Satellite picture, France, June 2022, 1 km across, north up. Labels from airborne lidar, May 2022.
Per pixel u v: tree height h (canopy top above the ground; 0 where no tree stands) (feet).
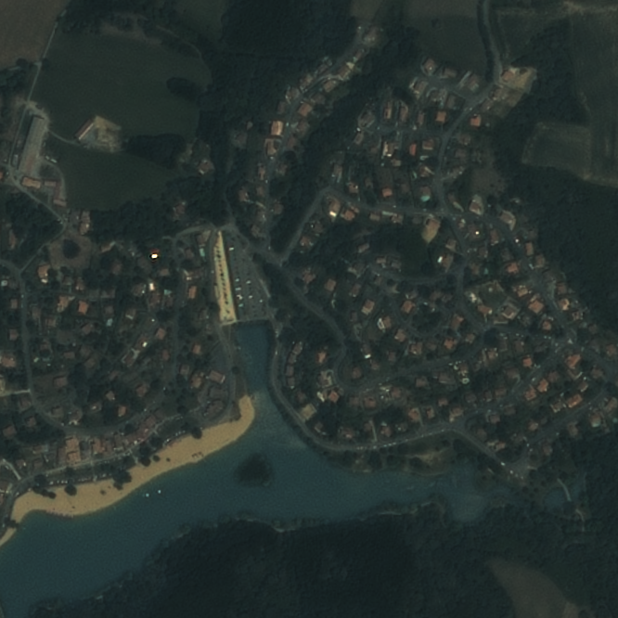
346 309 24
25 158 0
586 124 0
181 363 37
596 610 26
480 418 28
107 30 0
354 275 27
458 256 39
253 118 33
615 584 38
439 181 0
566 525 53
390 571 48
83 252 0
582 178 0
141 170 0
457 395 27
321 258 27
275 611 61
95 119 0
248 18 90
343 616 72
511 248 32
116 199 0
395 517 25
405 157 34
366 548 54
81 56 0
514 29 0
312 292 18
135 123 0
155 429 0
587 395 31
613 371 0
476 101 0
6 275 56
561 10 0
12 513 0
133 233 72
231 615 60
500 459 48
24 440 46
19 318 45
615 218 25
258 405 0
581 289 52
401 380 21
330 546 44
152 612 64
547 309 28
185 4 0
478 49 0
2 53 0
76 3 37
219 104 63
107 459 0
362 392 0
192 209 53
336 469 0
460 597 46
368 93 46
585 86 0
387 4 0
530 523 86
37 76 0
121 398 32
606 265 24
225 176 48
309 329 43
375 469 51
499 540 20
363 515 29
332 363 23
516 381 0
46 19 0
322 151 29
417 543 63
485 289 0
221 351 0
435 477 0
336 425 52
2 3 0
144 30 18
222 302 0
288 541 52
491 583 42
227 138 58
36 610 49
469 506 0
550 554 29
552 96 26
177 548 62
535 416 49
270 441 0
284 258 0
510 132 19
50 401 0
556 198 0
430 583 80
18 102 0
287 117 0
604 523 39
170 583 73
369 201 32
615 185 0
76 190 0
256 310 0
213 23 0
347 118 64
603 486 49
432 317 33
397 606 50
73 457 0
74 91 0
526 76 0
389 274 0
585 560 21
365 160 26
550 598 0
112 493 0
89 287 35
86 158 0
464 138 0
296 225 22
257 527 59
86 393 19
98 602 30
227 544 62
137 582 68
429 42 0
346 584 38
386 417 41
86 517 0
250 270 0
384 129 0
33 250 53
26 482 0
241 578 81
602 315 59
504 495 0
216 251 0
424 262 0
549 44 33
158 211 53
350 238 49
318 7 26
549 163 0
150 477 0
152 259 25
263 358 0
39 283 0
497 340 71
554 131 0
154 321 0
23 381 48
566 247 71
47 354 36
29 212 88
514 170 40
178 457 0
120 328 0
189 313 47
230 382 0
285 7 77
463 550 54
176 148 79
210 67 24
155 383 33
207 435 0
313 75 0
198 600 51
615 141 0
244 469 19
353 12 0
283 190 41
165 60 0
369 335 0
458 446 51
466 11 0
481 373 29
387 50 45
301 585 45
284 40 66
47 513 0
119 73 0
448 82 0
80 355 25
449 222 32
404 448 39
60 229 34
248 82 48
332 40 73
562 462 59
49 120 0
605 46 0
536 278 0
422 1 0
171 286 44
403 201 25
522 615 0
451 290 39
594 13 0
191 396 27
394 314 0
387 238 31
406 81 0
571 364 0
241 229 36
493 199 49
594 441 38
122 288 46
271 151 0
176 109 0
